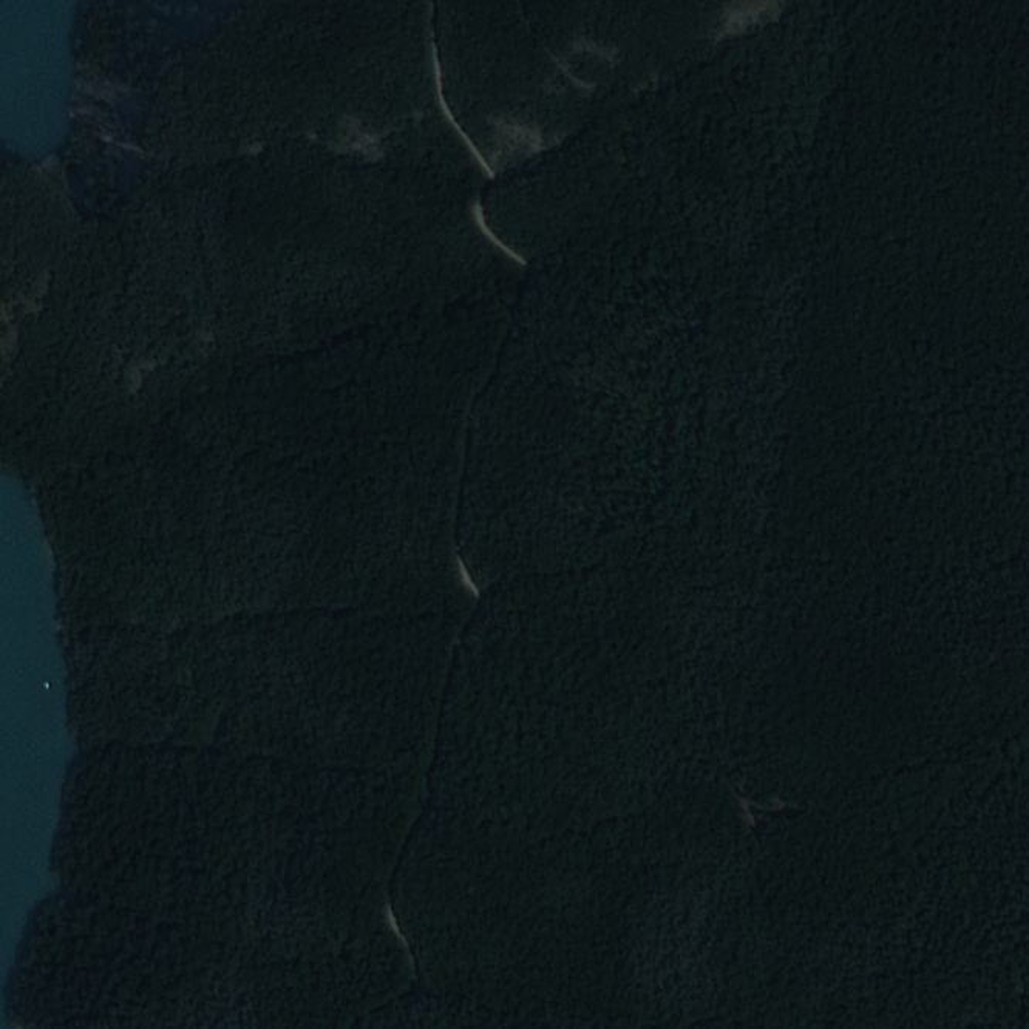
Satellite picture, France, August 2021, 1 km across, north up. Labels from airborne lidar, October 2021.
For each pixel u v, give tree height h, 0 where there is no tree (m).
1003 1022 21
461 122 12
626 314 24
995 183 22
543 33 15
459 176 14
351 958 26
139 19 7
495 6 17
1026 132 22
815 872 24
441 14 12
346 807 23
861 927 17
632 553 21
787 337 16
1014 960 19
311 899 17
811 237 23
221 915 15
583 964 14
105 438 16
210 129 17
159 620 11
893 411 24
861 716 22
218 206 16
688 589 15
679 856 16
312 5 19
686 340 19
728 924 15
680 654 18
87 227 14
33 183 9
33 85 0
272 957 17
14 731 0
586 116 15
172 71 14
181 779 19
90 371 15
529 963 18
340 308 17
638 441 8
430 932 18
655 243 28
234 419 20
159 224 15
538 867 18
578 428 23
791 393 23
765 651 18
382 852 19
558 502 28
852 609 20
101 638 18
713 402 18
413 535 17
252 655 15
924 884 15
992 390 25
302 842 18
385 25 16
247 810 20
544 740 28
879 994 18
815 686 21
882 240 26
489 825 22
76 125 9
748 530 14
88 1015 14
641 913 17
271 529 17
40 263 13
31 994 18
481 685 23
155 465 20
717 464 17
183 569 15
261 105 16
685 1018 19
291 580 13
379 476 17
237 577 14
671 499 20
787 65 11
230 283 11
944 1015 10
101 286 18
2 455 13
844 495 26
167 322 7
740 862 17
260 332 21
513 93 11
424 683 20
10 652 0
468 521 16
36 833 0
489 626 15
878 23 26
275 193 17
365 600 14
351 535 17
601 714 16
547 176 17
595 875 21
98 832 22
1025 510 14
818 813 23
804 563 26
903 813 27
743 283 21
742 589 17
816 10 16
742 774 21
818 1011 15
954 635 26
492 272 17
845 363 23
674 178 12
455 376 23
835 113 23
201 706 12
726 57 19
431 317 32
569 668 26
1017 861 21
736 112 17
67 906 17
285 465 19
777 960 15
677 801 23
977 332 26
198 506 20
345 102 10
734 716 18
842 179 26
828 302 24
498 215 10
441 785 21
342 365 30
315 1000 18
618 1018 20
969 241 23
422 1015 30
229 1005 15
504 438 20
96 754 22
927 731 18
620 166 15
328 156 14
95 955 24
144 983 21
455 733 23
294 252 12
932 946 14
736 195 16
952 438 27
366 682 19
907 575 26
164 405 27
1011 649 18
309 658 14
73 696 14
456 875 20
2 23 0
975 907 19
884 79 26
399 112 12
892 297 24
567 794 16
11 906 0
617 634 23
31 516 0
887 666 24
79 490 20
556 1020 21
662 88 13
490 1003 25
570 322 20
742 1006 13
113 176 6
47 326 15
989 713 17
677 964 20
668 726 16
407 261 12
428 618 18
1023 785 23
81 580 16
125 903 14
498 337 16
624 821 20
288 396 26
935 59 19
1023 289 24
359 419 29
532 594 20
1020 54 19
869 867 24
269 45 15
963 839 20
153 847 26
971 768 27
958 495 27
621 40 10
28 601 0
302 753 20
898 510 24
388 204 15
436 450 15
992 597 27
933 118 25
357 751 20
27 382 14
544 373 17
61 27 0
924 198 21
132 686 12
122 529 14
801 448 24
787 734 22
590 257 26
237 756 24
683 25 10
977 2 22
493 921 19
